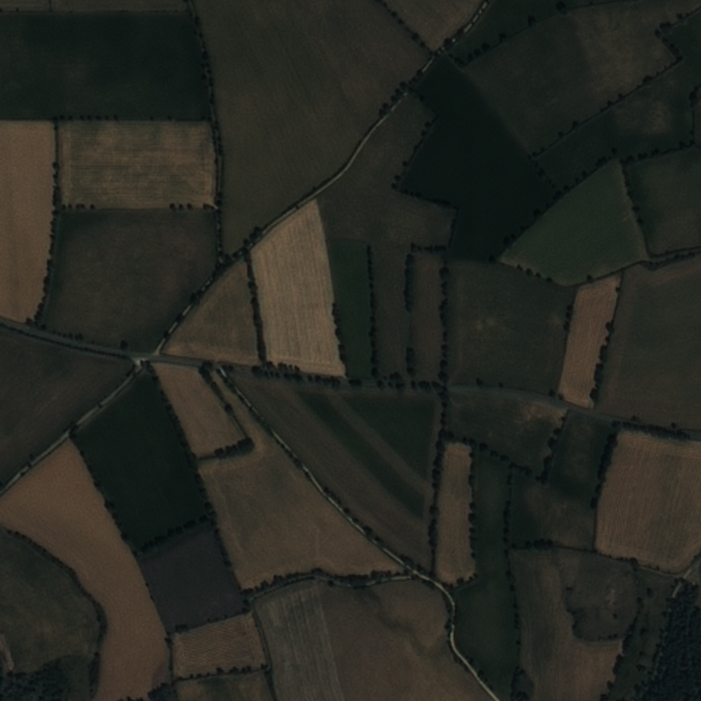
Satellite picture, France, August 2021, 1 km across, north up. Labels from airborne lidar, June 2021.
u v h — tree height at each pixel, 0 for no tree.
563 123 0
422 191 0
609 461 12
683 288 0
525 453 0
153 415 0
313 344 0
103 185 0
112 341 0
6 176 0
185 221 0
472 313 0
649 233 0
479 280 0
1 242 0
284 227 0
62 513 0
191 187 0
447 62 0
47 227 0
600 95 0
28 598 0
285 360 0
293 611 0
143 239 0
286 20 0
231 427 0
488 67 0
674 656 13
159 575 0
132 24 0
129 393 0
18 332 5
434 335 0
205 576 0
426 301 0
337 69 0
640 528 0
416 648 0
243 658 0
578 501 0
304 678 0
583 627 0
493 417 0
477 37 0
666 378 0
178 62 0
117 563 0
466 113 0
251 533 0
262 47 0
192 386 0
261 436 0
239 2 0
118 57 0
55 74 0
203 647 0
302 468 9
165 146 0
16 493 0
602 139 0
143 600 0
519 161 0
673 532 0
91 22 0
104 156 0
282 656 0
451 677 0
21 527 0
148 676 0
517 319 0
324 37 0
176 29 0
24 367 0
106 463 0
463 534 0
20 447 0
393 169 0
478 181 0
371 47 0
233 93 0
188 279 0
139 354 0
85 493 0
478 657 0
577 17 0
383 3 11
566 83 0
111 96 0
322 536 0
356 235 0
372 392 0
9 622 0
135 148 0
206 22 0
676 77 0
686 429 0
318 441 0
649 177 0
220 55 0
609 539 0
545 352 0
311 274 0
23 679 11
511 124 0
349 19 0
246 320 0
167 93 0
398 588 0
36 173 0
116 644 0
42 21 0
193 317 0
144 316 0
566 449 0
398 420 0
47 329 11
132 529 0
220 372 9
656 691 17
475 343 0
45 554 6
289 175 0
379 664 0
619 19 0
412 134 0
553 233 0
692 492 0
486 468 0
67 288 0
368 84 0
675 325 0
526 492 0
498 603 0
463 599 0
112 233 0
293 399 0
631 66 0
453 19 0
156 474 0
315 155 0
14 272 0
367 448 0
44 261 0
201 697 0
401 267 0
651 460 0
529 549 11
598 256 0
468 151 0
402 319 0
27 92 0
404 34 0
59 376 0
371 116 0
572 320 10
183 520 0
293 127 0
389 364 0
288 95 0
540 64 0
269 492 0
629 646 14
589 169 0
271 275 0
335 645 0
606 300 0
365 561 0
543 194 0
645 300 0
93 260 0
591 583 0
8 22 0
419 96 11
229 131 0
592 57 0
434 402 0
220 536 10
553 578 0
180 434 11
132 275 0
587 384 0
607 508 0
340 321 11
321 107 0
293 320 0
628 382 0
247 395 0
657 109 0
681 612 10
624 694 0
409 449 0
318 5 0
